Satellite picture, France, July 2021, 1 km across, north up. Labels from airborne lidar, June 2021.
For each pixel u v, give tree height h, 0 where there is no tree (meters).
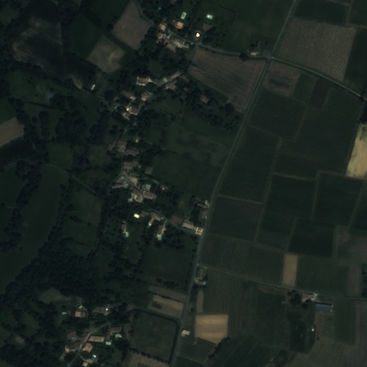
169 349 0
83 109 0
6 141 0
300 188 0
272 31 0
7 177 0
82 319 7
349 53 0
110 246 9
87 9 10
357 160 0
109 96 25
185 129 0
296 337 0
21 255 0
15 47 0
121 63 0
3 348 8
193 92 11
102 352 0
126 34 0
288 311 0
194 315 0
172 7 20
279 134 0
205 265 0
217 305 0
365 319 0
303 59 0
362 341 0
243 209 0
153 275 0
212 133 0
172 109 0
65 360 10
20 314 8
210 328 0
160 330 0
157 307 0
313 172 0
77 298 0
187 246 0
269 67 0
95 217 0
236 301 0
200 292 0
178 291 0
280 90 0
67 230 0
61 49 0
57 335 11
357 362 0
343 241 0
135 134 10
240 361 0
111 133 12
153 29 10
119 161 11
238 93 0
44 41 0
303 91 0
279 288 0
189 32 12
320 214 0
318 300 0
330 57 0
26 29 0
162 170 0
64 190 23
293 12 0
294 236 0
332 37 0
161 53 14
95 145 16
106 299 14
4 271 0
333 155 0
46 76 16
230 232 0
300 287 0
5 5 13
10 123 0
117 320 10
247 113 0
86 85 0
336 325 0
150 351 0
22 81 0
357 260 0
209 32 9
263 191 0
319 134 0
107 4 0
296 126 0
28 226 0
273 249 0
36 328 0
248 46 0
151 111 8
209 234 0
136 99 8
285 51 0
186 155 0
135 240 0
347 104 0
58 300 0
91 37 0
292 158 0
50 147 0
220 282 0
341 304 0
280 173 0
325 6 0
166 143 0
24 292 15
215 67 0
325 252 0
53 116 0
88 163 20
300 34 0
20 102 19
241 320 0
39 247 0
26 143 20
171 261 0
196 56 0
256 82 0
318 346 0
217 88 0
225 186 0
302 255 0
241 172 0
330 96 0
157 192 10
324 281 0
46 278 22
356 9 0
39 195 0
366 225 0
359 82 0
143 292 0
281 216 0
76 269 22
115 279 10
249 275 0
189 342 0
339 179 0
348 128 0
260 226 0
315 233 0
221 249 0
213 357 9
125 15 0
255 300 0
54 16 0
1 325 8
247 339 0
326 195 0
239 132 0
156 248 11
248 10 0
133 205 9
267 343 0
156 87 7
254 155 0
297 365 0
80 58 7
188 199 0
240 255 0
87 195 0
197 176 0
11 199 0
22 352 17
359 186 0
